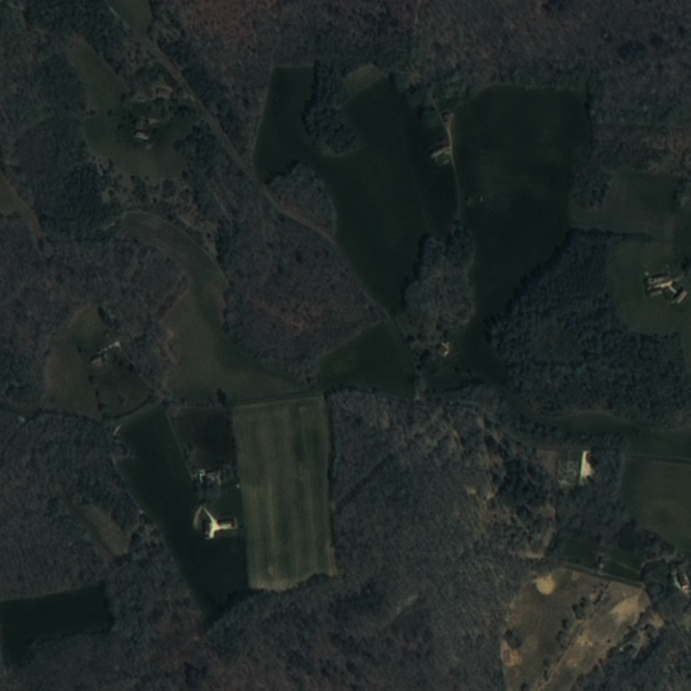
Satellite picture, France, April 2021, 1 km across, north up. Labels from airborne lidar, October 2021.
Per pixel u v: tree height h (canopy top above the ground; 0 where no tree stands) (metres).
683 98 17
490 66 14
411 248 0
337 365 0
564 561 13
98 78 0
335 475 18
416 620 8
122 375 0
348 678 20
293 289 9
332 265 10
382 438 22
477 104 0
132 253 12
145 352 0
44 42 25
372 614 28
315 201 26
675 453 0
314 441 0
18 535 27
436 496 26
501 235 0
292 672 14
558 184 0
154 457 0
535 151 0
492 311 0
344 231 0
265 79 13
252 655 26
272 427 0
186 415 0
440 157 0
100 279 24
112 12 8
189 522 0
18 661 0
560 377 22
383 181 0
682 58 15
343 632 17
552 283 20
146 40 0
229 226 20
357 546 24
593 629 0
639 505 0
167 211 9
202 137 21
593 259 15
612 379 12
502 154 0
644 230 0
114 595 26
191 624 20
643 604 0
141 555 21
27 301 13
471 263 19
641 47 11
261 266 17
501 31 18
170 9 14
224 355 0
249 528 0
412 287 23
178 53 20
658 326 0
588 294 21
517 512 12
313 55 10
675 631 18
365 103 0
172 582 26
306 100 0
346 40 8
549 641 0
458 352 8
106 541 0
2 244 18
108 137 0
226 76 14
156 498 0
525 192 0
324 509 0
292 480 0
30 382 19
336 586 23
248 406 0
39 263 16
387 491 26
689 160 6
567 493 0
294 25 11
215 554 0
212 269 0
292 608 18
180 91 15
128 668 12
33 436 17
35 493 22
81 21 24
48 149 14
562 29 14
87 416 0
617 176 0
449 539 21
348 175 0
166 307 10
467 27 14
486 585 19
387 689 15
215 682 26
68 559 22
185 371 0
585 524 12
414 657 18
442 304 23
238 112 19
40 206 12
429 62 11
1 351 15
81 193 19
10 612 0
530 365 14
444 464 24
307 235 12
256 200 20
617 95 25
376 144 0
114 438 9
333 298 11
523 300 24
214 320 0
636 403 21
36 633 0
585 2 12
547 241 0
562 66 19
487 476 20
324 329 9
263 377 0
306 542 0
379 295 0
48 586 18
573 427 0
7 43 21
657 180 0
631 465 0
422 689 24
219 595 0
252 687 18
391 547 25
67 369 0
